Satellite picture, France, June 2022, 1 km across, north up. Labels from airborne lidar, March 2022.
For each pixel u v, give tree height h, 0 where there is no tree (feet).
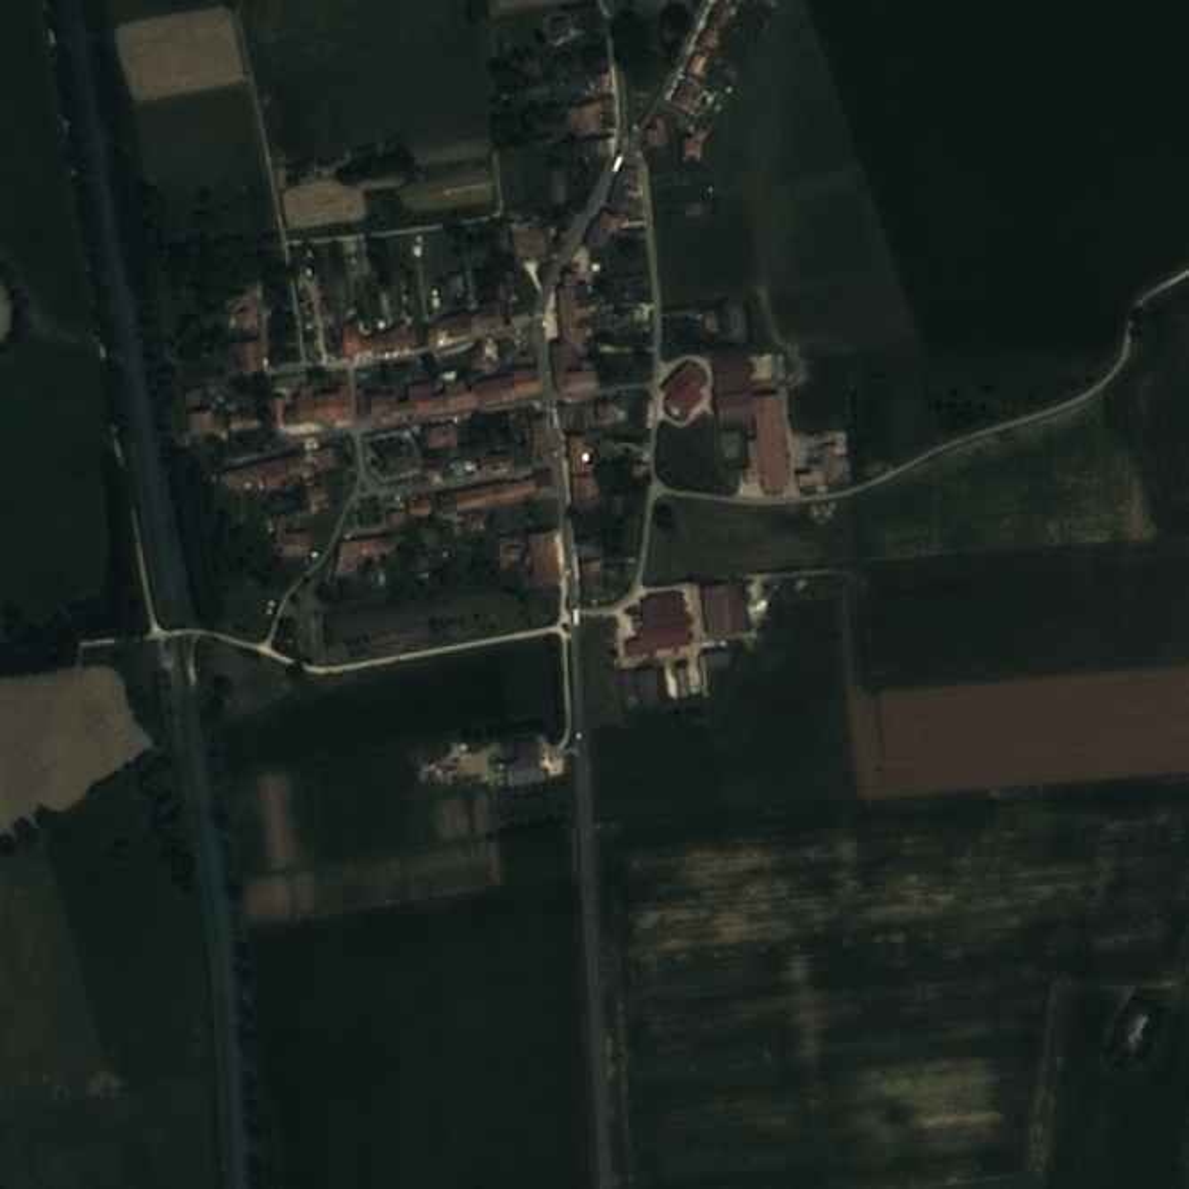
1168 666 0
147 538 0
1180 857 0
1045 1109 0
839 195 0
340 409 0
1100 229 0
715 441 0
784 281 0
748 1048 0
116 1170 0
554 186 0
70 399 0
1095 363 0
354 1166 0
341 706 0
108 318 91
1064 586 0
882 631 0
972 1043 0
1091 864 0
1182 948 0
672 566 0
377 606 0
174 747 0
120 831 0
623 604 0
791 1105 0
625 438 29
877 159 0
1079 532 0
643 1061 0
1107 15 0
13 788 0
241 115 0
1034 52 0
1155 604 0
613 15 0
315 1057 0
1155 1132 0
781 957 0
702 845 0
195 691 0
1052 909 0
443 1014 0
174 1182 0
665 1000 0
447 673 0
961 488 0
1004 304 0
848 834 0
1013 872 0
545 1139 0
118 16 0
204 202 26
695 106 0
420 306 0
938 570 0
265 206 0
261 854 0
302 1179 0
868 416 0
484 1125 0
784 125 0
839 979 0
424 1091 0
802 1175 0
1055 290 0
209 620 83
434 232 0
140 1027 0
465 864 0
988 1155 0
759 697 0
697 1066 0
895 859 0
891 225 0
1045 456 0
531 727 39
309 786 0
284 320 37
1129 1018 27
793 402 0
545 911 0
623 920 0
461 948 0
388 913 0
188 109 0
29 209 0
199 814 0
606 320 0
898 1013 0
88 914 0
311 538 0
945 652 0
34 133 0
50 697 0
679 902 0
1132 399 0
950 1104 0
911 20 0
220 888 0
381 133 0
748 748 0
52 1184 0
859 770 0
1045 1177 0
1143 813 0
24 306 41
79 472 0
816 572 0
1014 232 0
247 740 0
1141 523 0
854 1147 0
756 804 0
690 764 0
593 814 0
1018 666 0
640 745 0
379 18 0
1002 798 0
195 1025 0
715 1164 0
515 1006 0
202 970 0
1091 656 0
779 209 0
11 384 0
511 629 0
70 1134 0
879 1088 0
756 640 0
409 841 0
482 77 0
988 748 0
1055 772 0
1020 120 0
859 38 0
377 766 0
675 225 0
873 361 0
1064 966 0
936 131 0
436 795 0
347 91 0
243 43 0
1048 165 0
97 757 0
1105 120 0
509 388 0
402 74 0
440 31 0
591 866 0
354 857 0
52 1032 0
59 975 0
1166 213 0
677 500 0
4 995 0
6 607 0
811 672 0
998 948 0
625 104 0
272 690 0
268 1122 0
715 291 0
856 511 0
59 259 0
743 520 0
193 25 0
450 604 0
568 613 0
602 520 0
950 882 0
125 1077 0
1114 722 0
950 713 0
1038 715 0
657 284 0
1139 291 0
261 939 0
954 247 0
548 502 0
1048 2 0
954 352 0
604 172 0
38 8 0
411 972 0
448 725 0
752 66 0
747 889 0
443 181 0
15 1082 0
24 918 0
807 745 0
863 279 0
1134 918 0
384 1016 0
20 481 0
